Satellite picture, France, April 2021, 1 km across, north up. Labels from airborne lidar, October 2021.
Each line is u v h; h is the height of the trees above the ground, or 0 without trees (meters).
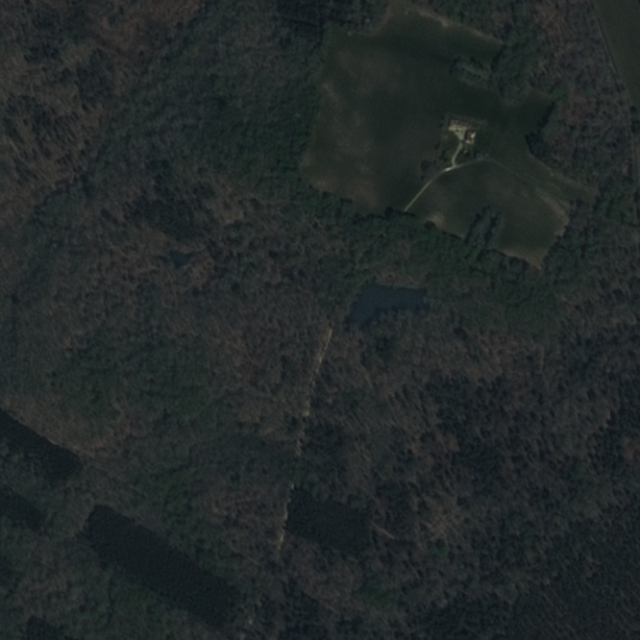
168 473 13
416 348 17
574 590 17
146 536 14
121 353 22
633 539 16
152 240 15
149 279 14
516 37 23
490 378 13
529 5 20
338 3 12
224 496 11
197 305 13
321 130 0
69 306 15
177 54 15
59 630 9
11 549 23
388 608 16
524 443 12
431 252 15
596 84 15
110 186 17
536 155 24
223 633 11
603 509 15
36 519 16
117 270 9
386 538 10
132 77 13
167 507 20
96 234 19
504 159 0
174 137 18
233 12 18
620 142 7
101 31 7
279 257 6
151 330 11
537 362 7
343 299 19
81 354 11
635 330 10
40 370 15
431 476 11
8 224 13
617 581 16
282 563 14
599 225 14
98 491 16
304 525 15
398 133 0
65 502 14
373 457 17
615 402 7
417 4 14
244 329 11
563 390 10
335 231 11
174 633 18
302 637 18
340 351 15
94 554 12
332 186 0
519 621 19
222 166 19
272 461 12
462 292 16
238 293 25
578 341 7
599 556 17
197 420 18
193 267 13
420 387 17
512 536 12
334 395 10
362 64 0
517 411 11
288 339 9
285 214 17
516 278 15
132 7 6
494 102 0
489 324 25
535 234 0
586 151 10
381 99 0
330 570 13
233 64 19
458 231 0
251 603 8
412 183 0
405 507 19
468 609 19
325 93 0
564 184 0
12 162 13
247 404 21
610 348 12
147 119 15
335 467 16
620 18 0
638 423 19
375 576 12
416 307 0
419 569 9
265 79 15
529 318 28
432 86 0
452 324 10
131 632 20
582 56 16
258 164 17
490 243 18
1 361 20
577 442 8
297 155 12
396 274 18
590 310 20
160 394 19
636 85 0
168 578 17
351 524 14
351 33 11
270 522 11
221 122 15
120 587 19
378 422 18
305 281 23
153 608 16
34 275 13
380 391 11
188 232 19
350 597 9
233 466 10
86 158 18
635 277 19
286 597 16
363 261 10
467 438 19
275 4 13
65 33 12
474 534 13
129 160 13
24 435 13
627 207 24
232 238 19
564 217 0
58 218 14
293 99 11
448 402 16
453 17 22
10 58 19
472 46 0
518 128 0
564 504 9
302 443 12
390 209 0
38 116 10
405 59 0
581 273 21
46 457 13
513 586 13
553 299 18
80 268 15
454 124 0
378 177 0
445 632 21
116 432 18
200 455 11
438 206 0
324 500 19
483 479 18
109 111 14
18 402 15
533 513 12
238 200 20
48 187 11
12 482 21
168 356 25
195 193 17
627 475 11
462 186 0
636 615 17
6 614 14
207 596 14
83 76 16
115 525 15
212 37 11
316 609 18
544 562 12
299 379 16
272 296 15
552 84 19
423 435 9
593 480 13
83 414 19
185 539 15
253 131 12
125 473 15
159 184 11
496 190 0
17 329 16
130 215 21
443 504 19
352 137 0
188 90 12
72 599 20
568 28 10
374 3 19
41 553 17
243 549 9
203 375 19
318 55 17
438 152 8
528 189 0
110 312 17
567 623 20
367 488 13
